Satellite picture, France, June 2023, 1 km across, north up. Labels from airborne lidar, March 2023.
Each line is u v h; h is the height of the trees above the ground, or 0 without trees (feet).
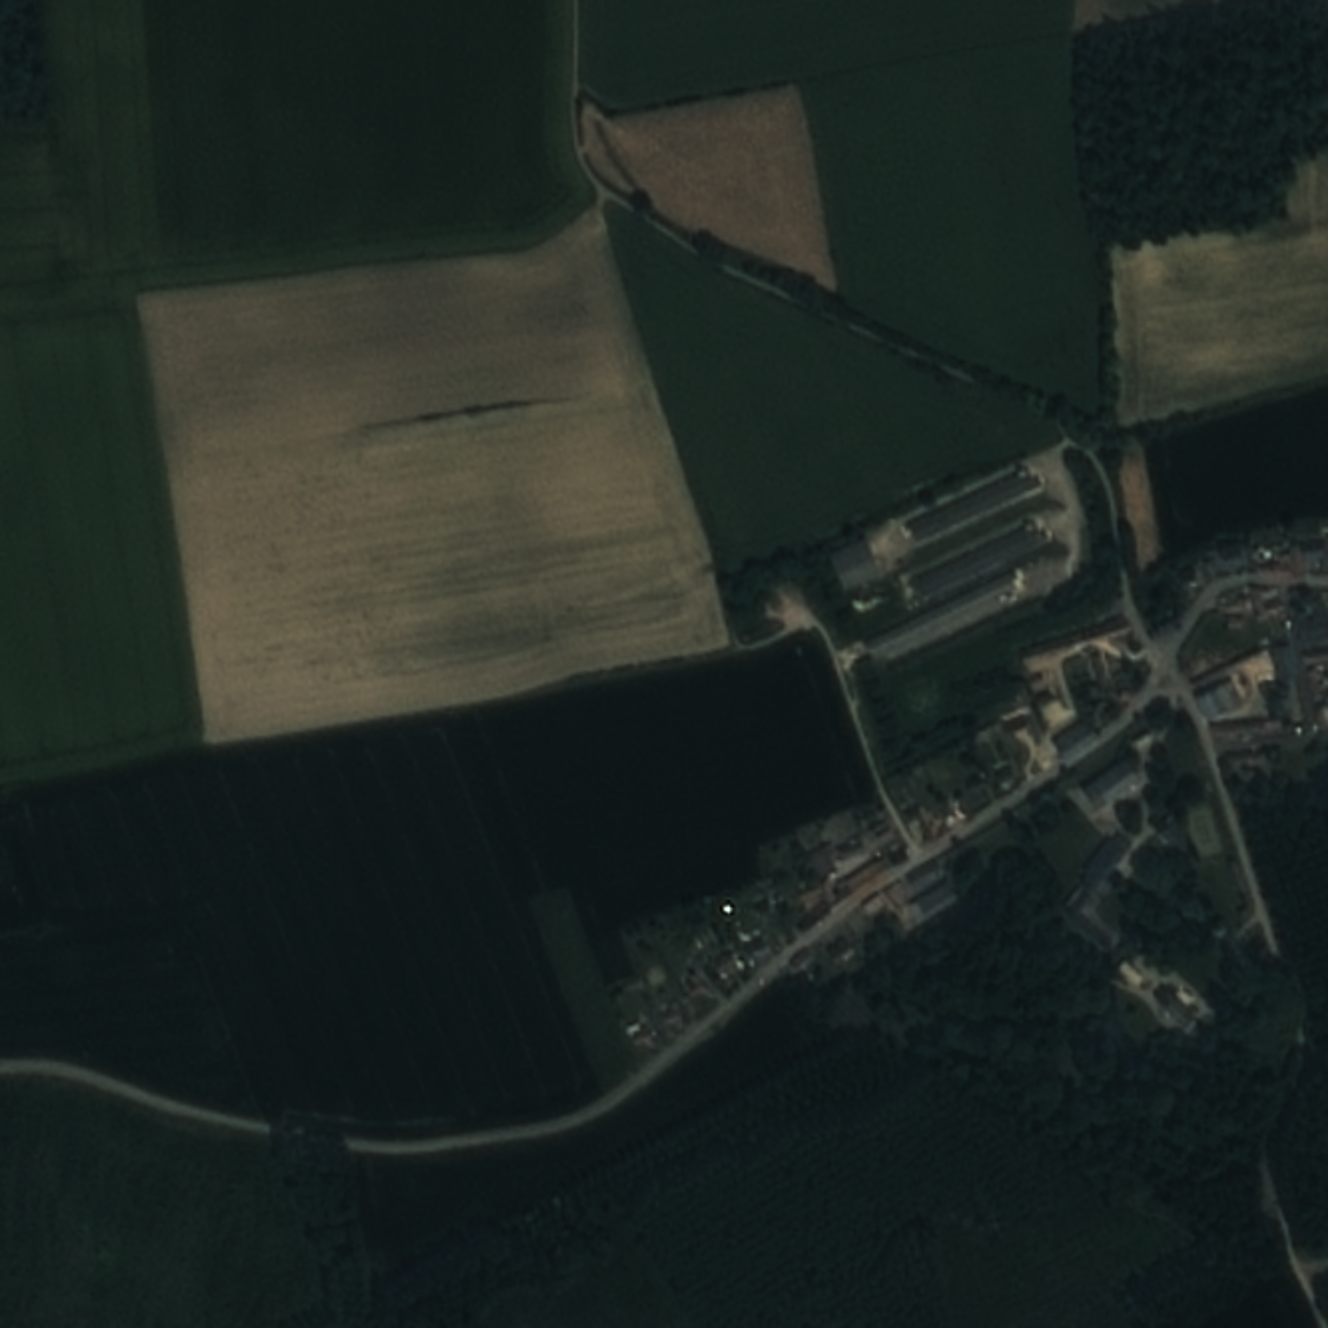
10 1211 0
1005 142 0
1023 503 0
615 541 0
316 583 0
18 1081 0
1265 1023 106
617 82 0
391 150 0
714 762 0
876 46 0
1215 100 60
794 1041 0
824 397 0
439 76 0
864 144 0
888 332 30
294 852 0
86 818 0
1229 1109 101
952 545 0
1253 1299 0
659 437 0
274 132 0
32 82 54
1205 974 0
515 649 0
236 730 0
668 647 0
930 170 0
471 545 0
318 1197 85
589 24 0
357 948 0
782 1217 96
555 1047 0
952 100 0
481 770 0
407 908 0
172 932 0
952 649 0
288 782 0
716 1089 0
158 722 0
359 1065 0
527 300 0
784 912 31
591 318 0
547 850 0
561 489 0
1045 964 76
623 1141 0
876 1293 106
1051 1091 77
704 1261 91
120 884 0
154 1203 0
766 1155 88
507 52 0
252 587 0
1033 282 0
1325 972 91
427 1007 0
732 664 0
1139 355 0
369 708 0
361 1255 83
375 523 0
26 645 0
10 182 0
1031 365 0
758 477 0
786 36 0
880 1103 91
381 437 0
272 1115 0
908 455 0
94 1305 0
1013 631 0
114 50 0
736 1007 0
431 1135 0
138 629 0
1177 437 0
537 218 0
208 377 0
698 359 0
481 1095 0
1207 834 0
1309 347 0
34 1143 0
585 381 0
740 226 0
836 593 22
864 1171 94
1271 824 91
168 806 0
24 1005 0
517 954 0
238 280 0
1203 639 0
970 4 0
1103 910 0
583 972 0
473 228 0
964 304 0
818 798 0
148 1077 0
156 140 0
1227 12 58
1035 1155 103
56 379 0
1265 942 21
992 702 0
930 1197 97
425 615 0
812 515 0
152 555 0
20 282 0
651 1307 0
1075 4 0
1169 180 54
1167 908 88
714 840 0
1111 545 43
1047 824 48
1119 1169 78
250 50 0
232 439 0
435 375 0
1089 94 39
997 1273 0
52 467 0
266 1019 0
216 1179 0
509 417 0
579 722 0
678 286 0
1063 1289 0
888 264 0
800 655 0
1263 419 0
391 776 0
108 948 0
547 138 0
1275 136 48
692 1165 89
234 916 0
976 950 73
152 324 0
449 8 0
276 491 0
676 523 0
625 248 0
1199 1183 79
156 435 0
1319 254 0
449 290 0
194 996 0
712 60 0
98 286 0
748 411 0
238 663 0
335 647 0
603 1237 32
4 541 0
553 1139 0
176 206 0
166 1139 0
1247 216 41
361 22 0
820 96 0
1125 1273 0
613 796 0
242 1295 0
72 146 0
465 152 0
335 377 0
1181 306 0
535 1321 0
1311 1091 82
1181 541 0
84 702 0
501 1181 0
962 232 0
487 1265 94
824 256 0
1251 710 0
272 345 0
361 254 0
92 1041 0
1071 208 0
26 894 0
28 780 0
